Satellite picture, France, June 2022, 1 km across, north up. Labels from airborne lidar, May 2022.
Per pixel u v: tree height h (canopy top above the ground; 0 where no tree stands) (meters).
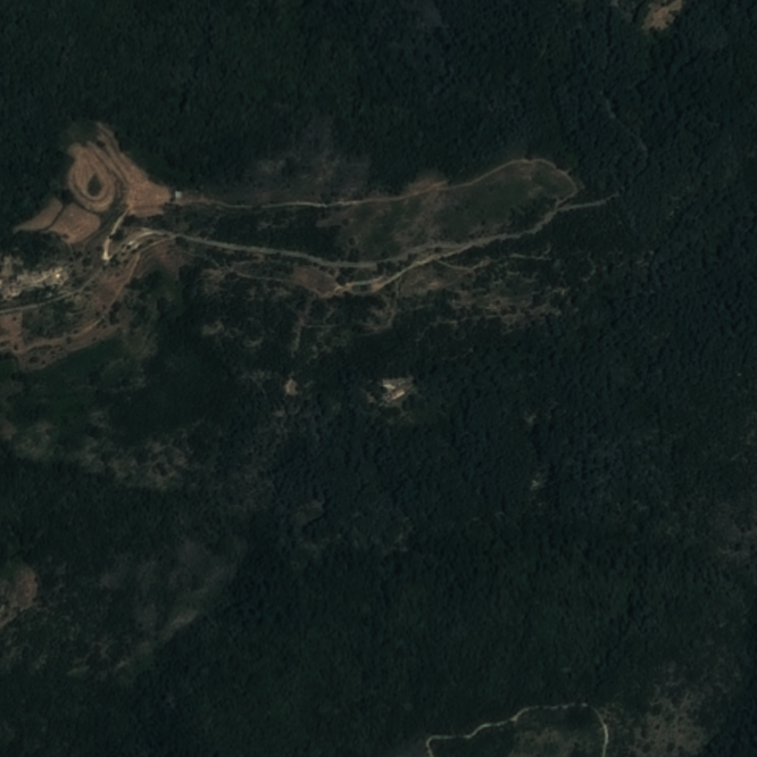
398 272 9
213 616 7
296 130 9
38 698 17
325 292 0
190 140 21
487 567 11
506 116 8
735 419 11
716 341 22
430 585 11
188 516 12
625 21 10
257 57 17
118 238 11
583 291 16
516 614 12
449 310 12
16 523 8
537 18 13
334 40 15
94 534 10
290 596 12
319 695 15
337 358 11
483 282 8
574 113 24
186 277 10
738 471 11
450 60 10
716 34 30
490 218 0
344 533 26
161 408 6
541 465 22
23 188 12
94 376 9
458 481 23
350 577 13
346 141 8
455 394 27
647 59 13
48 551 9
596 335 9
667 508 18
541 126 13
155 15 21
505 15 15
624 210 18
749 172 15
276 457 15
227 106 14
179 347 9
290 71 16
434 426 11
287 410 14
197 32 9
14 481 13
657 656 16
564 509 24
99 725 14
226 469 7
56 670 11
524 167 0
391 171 7
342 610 12
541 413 8
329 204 9
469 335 7
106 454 8
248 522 9
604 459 24
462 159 7
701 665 6
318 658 12
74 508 9
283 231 6
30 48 8
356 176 0
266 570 12
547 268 15
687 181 20
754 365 12
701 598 13
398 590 14
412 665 10
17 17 12
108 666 10
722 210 28
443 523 24
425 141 13
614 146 20
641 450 12
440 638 12
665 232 10
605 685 16
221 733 10
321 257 10
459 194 0
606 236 8
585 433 24
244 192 0
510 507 25
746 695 18
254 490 7
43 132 9
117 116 11
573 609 17
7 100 11
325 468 17
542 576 11
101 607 9
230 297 10
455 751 9
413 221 0
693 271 22
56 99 8
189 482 7
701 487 10
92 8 11
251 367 10
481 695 6
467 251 7
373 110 14
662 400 8
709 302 25
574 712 10
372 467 15
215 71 7
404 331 11
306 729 8
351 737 11
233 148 12
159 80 14
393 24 7
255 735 12
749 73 11
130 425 7
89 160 0
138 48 16
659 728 7
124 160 0
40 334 9
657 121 25
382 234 0
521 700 10
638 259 7
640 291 6
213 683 10
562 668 15
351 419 17
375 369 11
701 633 24
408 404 13
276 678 11
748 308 24
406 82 10
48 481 15
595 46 26
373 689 9
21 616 8
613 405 26
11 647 7
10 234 6
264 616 21
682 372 8
